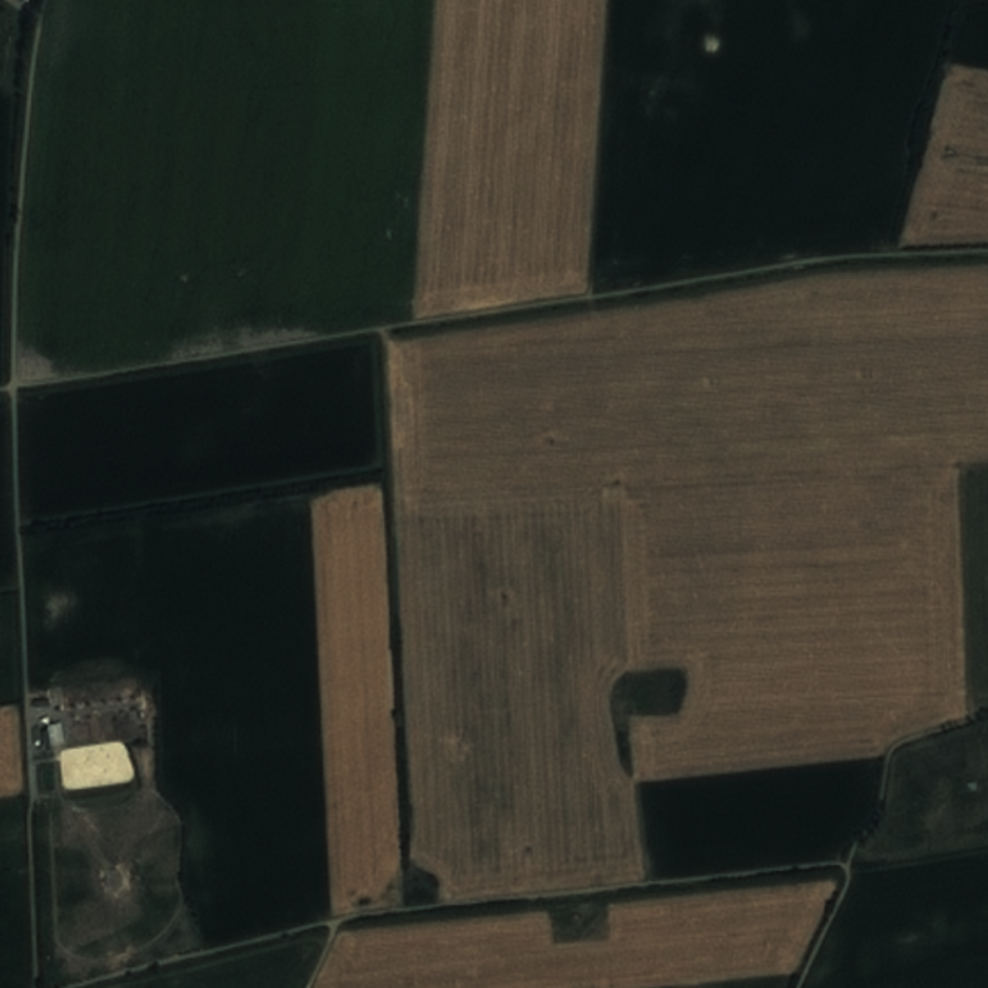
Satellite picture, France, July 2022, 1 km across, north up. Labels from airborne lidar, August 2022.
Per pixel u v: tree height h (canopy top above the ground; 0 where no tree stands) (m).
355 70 0
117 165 0
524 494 0
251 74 0
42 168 0
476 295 0
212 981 0
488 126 0
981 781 0
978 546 0
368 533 0
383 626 0
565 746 0
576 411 0
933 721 0
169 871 0
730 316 0
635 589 0
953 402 0
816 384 0
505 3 0
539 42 0
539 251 0
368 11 0
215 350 0
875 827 17
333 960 0
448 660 0
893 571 0
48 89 0
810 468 0
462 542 0
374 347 0
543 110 0
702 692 0
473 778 0
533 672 0
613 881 0
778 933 0
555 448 0
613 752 0
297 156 0
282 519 0
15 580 0
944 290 0
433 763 0
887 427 0
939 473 0
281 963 0
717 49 0
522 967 0
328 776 0
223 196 0
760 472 0
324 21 0
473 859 0
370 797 0
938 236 0
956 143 0
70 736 0
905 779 0
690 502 0
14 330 0
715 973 0
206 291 0
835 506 0
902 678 0
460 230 0
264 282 0
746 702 0
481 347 0
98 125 0
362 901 0
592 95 0
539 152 0
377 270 0
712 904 0
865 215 0
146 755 0
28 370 0
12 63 0
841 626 0
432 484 0
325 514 0
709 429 0
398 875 0
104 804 0
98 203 0
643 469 0
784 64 0
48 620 0
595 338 0
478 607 0
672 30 0
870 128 0
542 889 0
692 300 0
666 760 0
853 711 0
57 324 0
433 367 0
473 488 0
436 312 0
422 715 0
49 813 0
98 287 0
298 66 0
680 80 0
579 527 0
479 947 0
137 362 0
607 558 0
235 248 0
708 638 0
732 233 0
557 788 0
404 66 0
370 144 0
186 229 0
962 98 0
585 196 0
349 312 0
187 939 0
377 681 0
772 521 0
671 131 0
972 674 0
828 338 0
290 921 0
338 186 0
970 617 0
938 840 0
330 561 0
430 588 0
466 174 0
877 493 0
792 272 0
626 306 0
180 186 0
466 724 0
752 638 0
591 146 0
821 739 0
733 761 0
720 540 0
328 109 0
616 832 0
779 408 0
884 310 0
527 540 0
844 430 0
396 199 0
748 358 0
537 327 0
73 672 0
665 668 0
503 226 0
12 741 0
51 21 0
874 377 0
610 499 0
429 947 0
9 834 0
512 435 0
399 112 0
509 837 0
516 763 0
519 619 0
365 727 0
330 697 0
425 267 0
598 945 0
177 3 0
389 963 0
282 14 0
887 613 0
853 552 0
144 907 0
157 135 0
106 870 0
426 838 0
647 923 0
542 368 0
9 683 0
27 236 0
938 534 0
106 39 0
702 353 0
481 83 0
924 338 0
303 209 0
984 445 0
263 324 0
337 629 0
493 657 0
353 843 0
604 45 0
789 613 0
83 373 0
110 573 0
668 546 0
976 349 0
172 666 0
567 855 0
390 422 0
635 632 0
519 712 0
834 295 0
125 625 0
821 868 6
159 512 9
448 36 0
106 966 0
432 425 0
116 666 0
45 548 0
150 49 0
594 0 0
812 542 0
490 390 0
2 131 0
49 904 0
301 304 0
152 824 0
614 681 0
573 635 0
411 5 0
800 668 0
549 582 0
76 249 0
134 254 0
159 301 0
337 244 0
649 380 0
